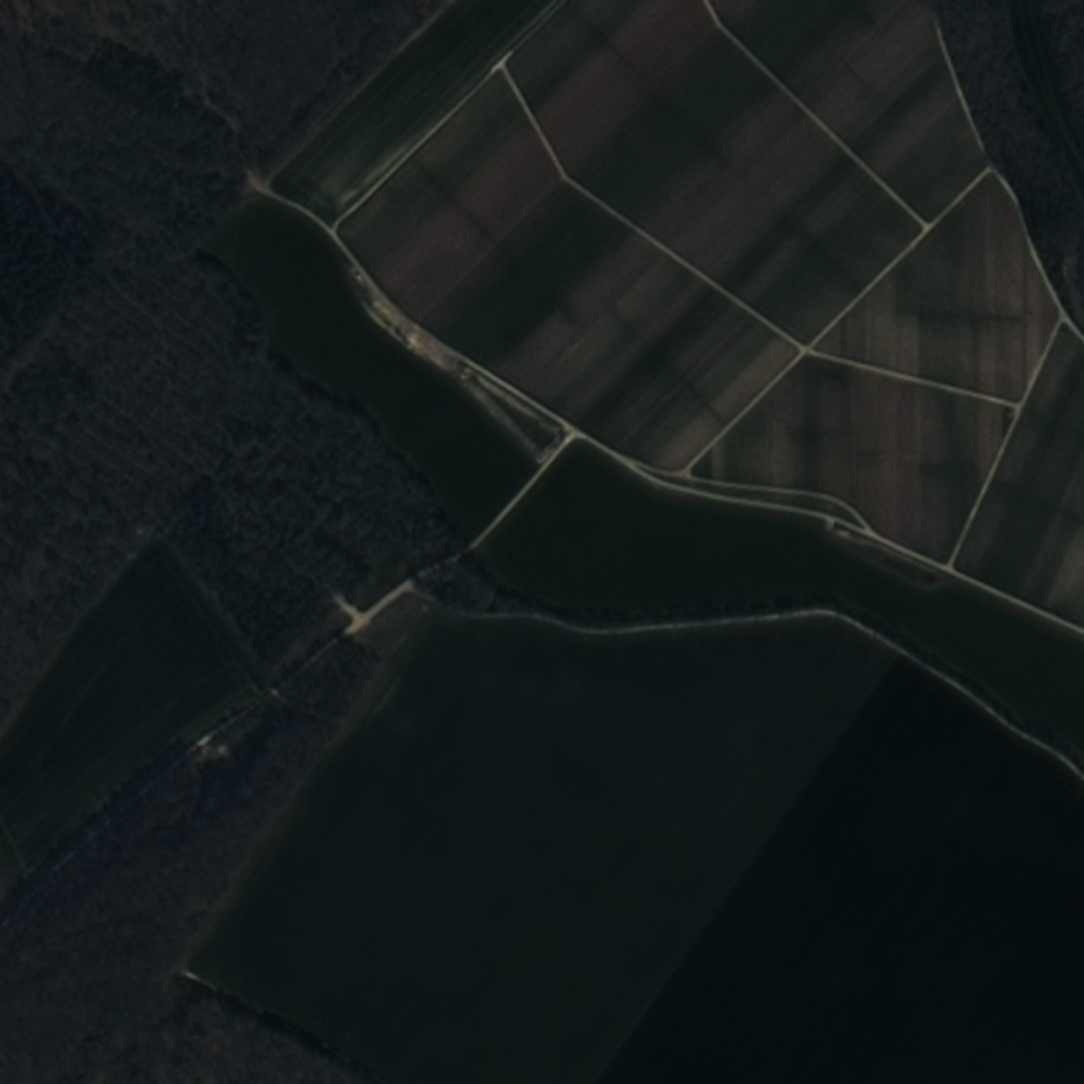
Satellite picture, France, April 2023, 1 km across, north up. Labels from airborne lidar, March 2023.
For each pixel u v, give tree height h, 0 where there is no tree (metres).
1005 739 0
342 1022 0
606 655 0
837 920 0
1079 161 0
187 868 30
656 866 0
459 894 0
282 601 24
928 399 0
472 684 0
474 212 0
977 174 0
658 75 0
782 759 0
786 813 0
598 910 0
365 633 0
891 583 0
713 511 0
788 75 0
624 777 0
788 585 0
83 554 24
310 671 10
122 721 0
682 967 0
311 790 0
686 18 0
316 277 0
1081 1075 0
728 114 0
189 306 7
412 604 0
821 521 0
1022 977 0
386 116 0
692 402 0
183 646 0
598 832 0
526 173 0
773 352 0
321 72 18
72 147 26
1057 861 0
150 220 26
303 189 0
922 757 0
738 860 0
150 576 0
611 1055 0
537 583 0
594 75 0
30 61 24
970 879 0
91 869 19
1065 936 0
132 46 13
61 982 27
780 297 0
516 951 0
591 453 0
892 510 0
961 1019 0
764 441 0
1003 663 0
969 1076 0
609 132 0
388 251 0
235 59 20
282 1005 0
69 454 11
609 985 0
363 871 0
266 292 0
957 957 0
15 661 21
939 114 0
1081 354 0
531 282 0
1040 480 0
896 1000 0
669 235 0
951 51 8
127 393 13
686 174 0
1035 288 0
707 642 0
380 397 0
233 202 19
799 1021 0
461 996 0
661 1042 0
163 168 17
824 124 0
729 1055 0
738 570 0
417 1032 0
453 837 0
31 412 25
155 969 25
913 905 0
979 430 0
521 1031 0
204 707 0
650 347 0
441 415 0
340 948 0
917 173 0
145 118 20
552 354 0
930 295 0
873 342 0
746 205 0
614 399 0
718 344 0
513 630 0
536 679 0
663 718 0
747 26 0
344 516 20
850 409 0
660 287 0
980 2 19
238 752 0
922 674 0
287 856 0
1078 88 15
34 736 0
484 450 0
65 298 22
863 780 0
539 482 0
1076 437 0
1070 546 0
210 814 25
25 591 29
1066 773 0
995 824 0
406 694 0
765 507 0
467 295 0
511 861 0
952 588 0
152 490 9
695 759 0
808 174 0
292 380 21
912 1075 0
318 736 22
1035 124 19
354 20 17
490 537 0
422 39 0
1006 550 0
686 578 0
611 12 0
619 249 0
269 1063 28
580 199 0
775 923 0
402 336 0
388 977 0
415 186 0
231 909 0
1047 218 20
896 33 0
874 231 0
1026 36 0
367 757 0
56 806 0
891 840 0
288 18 18
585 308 0
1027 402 0
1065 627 0
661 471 0
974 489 0
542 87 0
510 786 0
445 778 0
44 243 34
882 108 0
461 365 0
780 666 0
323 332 0
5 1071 21
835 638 0
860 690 0
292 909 0
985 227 0
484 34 0
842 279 0
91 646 0
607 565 0
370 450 14
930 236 0
